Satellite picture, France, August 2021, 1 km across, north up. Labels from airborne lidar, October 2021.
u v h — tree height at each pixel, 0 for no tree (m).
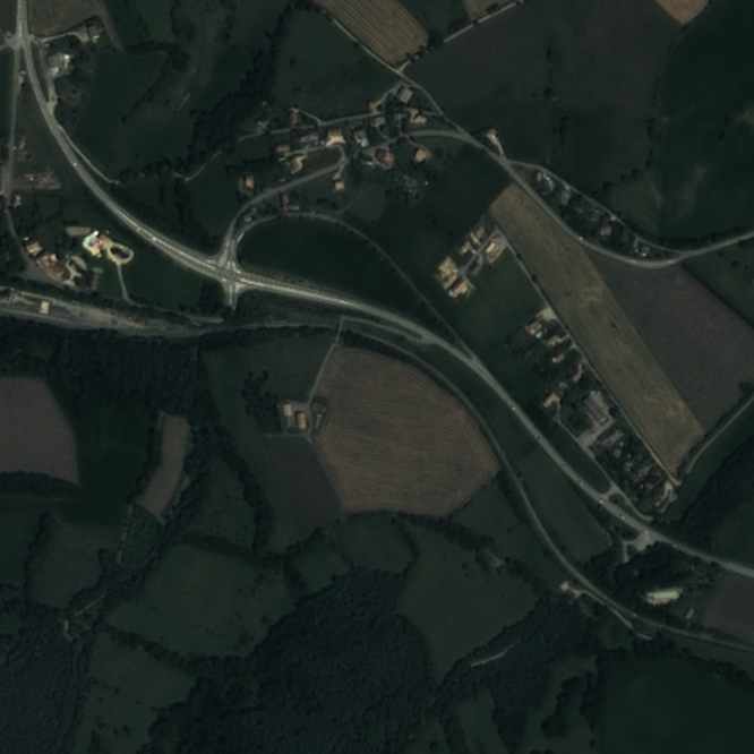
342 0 0
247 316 9
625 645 0
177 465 0
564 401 12
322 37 0
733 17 0
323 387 0
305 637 16
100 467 0
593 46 0
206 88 0
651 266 0
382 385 0
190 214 14
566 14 0
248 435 0
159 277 0
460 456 0
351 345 6
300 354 0
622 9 0
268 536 9
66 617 6
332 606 17
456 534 14
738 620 0
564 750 0
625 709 0
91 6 0
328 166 0
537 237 0
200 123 14
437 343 0
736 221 0
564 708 15
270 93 13
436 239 0
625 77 0
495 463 0
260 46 0
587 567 10
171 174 21
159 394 20
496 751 0
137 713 0
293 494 0
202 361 11
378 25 0
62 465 0
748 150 0
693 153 0
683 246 14
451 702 17
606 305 0
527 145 0
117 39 0
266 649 13
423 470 0
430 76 0
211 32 0
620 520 0
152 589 0
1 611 15
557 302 0
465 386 0
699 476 0
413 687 13
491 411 0
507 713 20
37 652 8
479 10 0
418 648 14
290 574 18
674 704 0
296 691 18
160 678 0
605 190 7
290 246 0
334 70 0
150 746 13
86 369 24
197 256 0
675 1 0
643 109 0
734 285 0
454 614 0
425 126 0
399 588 16
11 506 0
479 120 0
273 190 0
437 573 0
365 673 15
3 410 0
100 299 17
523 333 0
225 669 19
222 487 0
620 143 0
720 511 16
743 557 0
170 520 15
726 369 0
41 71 0
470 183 0
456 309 0
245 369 0
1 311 0
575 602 7
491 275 0
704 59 0
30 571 12
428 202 0
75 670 11
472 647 0
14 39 0
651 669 0
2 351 12
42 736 6
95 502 0
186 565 0
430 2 0
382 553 0
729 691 0
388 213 0
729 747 0
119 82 0
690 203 0
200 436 15
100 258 0
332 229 0
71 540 0
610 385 0
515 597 0
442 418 0
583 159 0
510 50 0
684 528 19
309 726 17
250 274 0
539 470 0
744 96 0
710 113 0
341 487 0
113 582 13
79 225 6
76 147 0
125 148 0
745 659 0
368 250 0
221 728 22
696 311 0
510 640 13
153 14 0
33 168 0
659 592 0
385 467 0
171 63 11
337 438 0
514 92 0
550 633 11
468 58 0
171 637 0
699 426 0
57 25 0
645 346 0
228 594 0
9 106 0
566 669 0
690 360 0
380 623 11
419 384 0
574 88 0
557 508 0
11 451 0
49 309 0
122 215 0
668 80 0
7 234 10
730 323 0
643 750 0
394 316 0
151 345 15
